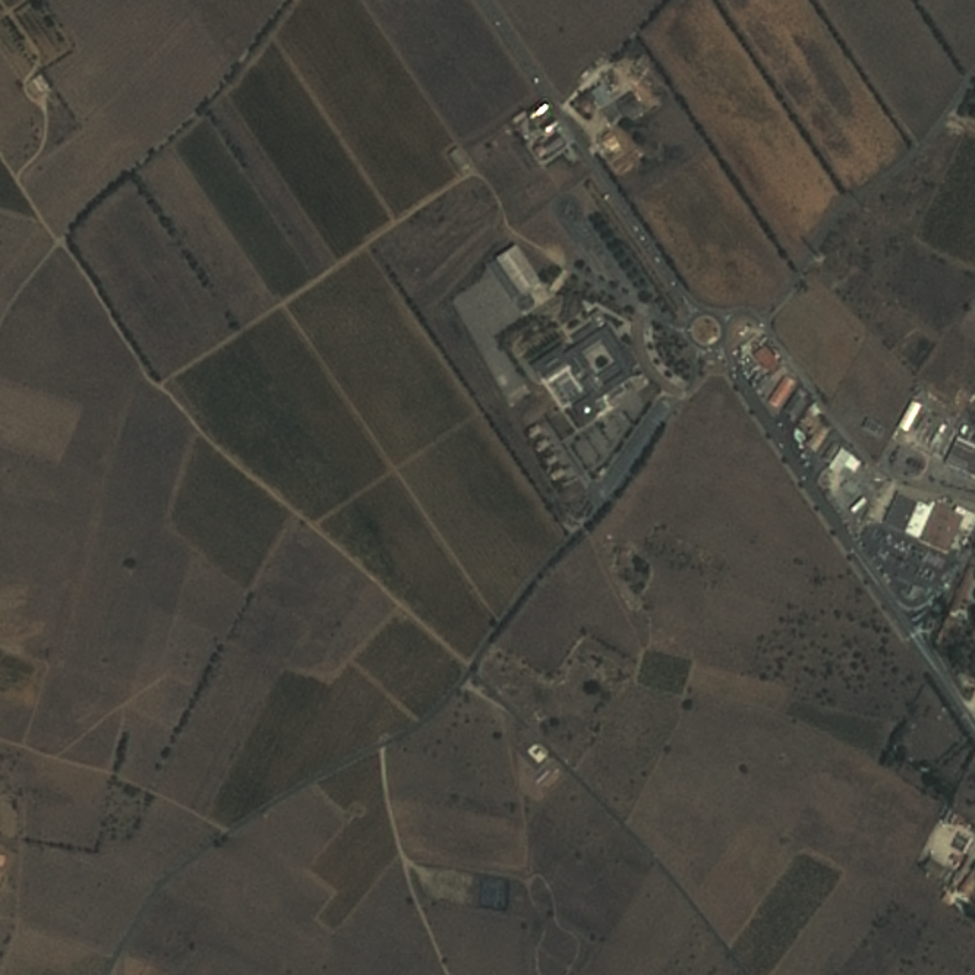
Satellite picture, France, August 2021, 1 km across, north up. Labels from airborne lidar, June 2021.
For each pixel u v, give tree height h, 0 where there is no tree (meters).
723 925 0
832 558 0
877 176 0
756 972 0
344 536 0
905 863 0
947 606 6
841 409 0
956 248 0
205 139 0
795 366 0
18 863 0
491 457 0
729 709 0
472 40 0
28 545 0
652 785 0
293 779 0
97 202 9
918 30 0
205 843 0
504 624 7
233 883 0
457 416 0
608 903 0
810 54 0
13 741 0
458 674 0
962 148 0
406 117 0
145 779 0
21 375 0
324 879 0
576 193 0
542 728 0
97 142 0
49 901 0
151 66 0
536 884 0
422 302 0
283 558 0
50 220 0
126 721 0
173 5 0
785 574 0
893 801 0
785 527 0
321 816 0
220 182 0
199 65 0
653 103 0
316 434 0
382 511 0
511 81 0
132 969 0
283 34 0
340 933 0
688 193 0
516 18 0
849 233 0
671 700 0
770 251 0
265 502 0
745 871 0
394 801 0
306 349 0
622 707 0
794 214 0
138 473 0
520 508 0
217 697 0
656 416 0
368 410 0
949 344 0
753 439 0
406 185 0
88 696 0
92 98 0
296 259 0
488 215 0
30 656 0
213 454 0
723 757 0
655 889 0
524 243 0
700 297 0
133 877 0
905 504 0
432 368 0
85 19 0
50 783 0
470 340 0
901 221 0
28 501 0
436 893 0
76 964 0
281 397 0
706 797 0
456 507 0
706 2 0
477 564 0
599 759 0
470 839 0
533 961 0
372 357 0
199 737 0
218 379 0
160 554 0
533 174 0
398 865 0
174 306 0
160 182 0
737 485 0
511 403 0
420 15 0
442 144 0
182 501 0
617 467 0
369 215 0
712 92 0
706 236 0
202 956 0
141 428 0
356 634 0
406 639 0
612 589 0
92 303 0
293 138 0
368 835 0
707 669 0
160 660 0
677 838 0
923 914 0
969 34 0
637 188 0
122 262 0
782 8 0
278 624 0
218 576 0
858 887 0
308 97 0
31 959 0
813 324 0
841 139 0
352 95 0
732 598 0
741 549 0
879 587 0
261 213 0
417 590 0
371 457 0
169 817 0
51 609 0
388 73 0
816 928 0
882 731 0
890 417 0
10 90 0
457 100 0
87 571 0
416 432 0
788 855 0
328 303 0
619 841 0
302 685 0
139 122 0
